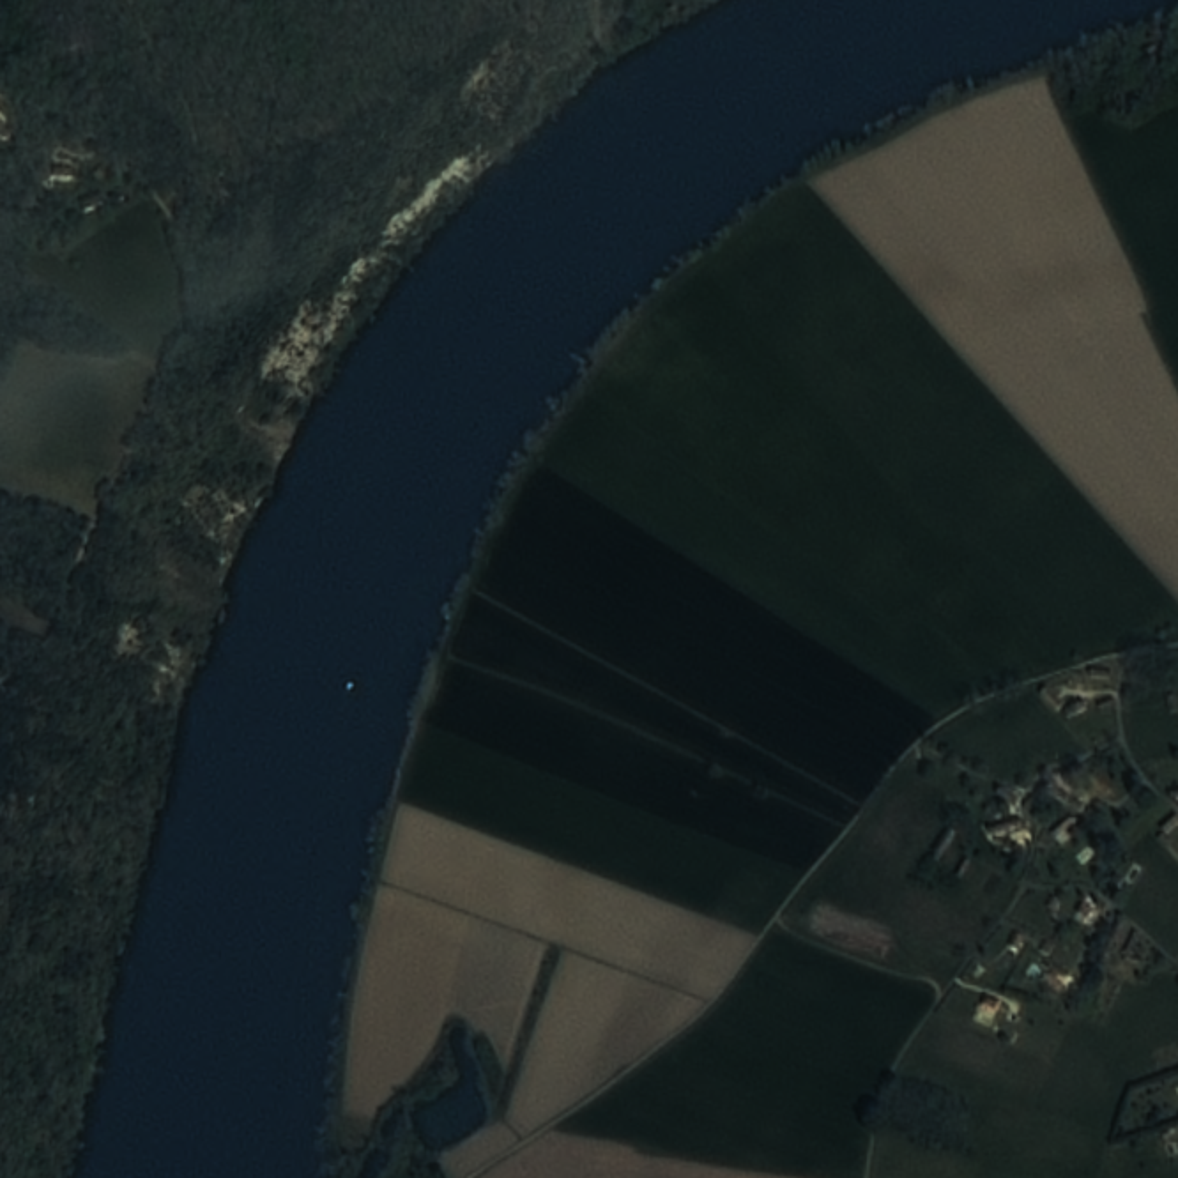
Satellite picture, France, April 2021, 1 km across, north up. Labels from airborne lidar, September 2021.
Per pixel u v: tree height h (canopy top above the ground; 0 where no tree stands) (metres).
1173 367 0
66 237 16
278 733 0
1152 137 0
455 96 9
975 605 0
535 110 18
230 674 0
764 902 0
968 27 0
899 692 0
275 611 0
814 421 0
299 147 10
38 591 14
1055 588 0
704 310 0
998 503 0
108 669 9
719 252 10
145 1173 0
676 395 0
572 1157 0
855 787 0
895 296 0
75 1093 21
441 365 0
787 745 0
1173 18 17
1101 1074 0
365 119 12
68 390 0
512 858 0
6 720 6
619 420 0
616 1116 0
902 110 10
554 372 0
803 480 0
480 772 0
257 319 14
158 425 18
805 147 0
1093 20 0
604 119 0
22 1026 12
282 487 0
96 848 16
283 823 0
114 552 17
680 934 0
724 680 0
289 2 19
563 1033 0
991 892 0
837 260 0
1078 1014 20
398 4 20
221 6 25
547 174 0
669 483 0
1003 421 0
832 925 0
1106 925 10
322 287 12
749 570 0
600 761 0
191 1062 0
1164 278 0
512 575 0
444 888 0
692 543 0
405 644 0
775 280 0
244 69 13
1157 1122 8
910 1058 0
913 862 0
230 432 8
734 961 0
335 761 0
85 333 6
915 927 0
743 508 0
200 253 19
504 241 0
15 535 17
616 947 0
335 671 0
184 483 23
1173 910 0
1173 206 0
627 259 0
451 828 0
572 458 0
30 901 11
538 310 0
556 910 0
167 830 0
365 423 0
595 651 0
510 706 0
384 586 0
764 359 0
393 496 0
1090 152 0
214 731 0
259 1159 0
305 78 16
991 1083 0
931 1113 18
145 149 15
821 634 0
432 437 0
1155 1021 0
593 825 0
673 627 0
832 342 0
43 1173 9
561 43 18
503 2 11
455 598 12
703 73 0
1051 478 0
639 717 0
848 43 0
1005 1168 0
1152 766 0
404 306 0
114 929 7
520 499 0
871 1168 0
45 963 22
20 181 14
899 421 0
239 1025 0
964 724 0
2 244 17
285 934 0
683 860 0
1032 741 0
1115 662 0
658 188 0
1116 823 7
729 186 0
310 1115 0
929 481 0
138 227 0
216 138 10
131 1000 0
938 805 0
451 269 0
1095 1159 0
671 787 0
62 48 13
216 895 0
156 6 15
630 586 0
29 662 13
